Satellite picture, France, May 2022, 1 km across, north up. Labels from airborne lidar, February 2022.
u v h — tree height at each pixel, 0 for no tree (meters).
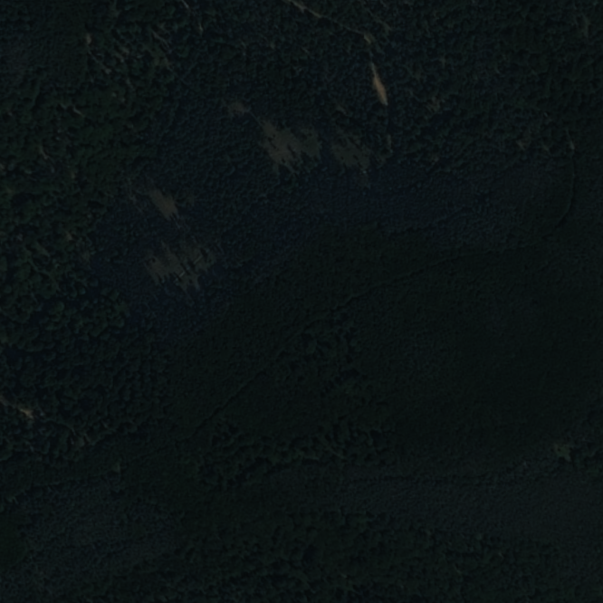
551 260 16
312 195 27
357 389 25
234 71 25
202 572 17
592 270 15
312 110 22
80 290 32
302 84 28
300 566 37
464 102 26
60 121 34
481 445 19
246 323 20
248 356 23
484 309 15
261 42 35
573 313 16
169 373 20
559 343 17
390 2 28
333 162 28
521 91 26
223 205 33
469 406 16
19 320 31
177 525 14
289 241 20
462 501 21
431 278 17
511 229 15
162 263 22
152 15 24
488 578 27
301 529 32
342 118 23
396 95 25
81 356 36
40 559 26
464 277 17
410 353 18
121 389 32
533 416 15
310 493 18
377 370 17
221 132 38
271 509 19
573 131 16
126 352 30
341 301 17
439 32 22
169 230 27
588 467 27
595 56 14
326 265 17
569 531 21
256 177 32
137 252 28
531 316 16
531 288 16
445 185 25
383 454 24
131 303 23
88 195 36
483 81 22
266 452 26
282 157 0
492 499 24
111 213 29
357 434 28
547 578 26
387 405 16
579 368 14
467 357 18
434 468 13
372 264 18
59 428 28
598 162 17
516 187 22
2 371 34
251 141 24
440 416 17
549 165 16
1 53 17
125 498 21
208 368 19
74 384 38
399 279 17
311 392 11
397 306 18
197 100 35
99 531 25
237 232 26
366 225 21
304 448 26
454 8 10
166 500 16
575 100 22
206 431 15
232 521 16
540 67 18
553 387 16
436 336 18
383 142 32
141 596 28
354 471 20
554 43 11
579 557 24
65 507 31
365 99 31
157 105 26
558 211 16
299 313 18
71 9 15
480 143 20
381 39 32
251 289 17
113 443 18
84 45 9
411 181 25
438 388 16
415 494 28
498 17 26
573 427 23
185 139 36
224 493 21
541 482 22
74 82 22
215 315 18
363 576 33
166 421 17
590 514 20
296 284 17
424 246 17
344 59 33
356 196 27
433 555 30
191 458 12
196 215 24
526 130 21
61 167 32
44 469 20
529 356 18
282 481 21
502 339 15
